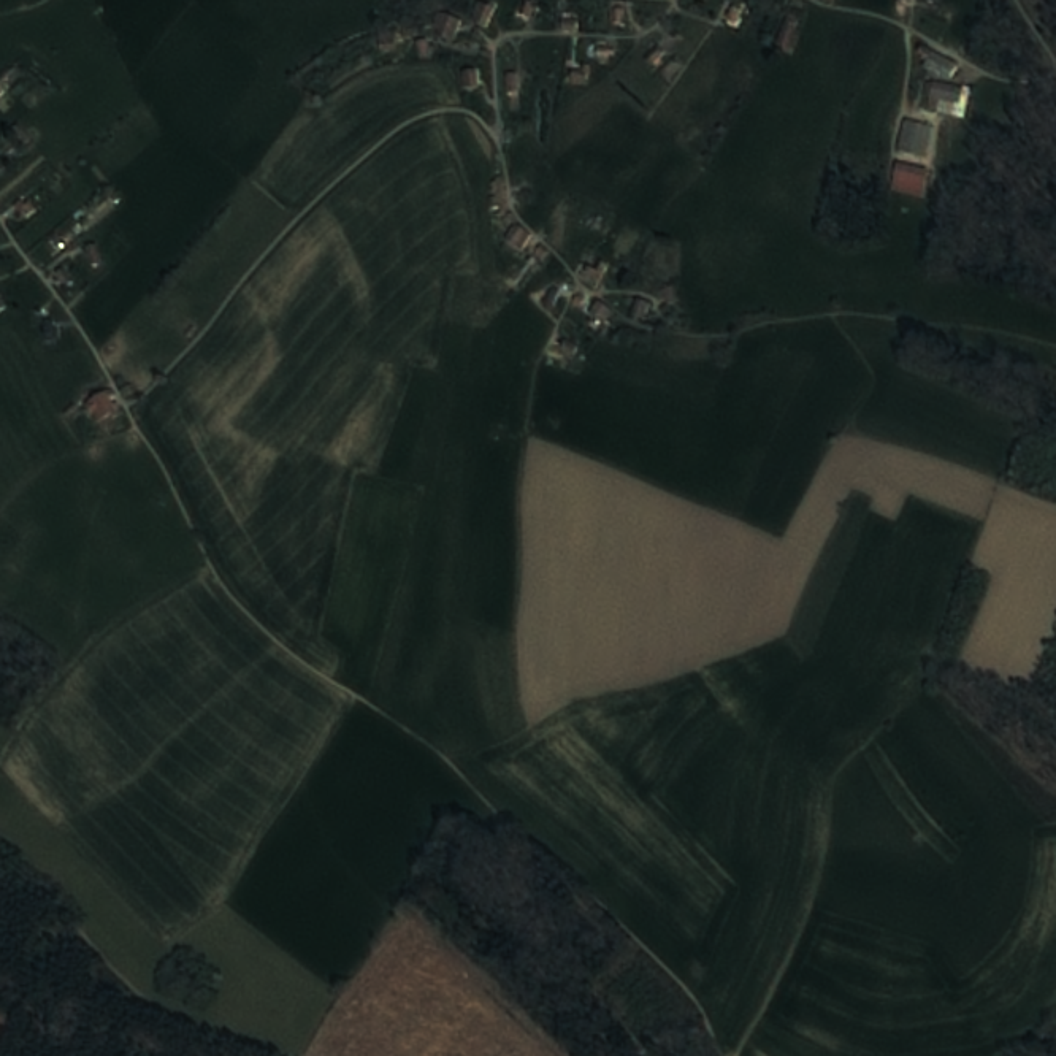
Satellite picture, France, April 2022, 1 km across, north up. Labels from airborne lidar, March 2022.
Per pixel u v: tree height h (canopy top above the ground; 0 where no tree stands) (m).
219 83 0
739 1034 0
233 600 0
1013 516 0
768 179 0
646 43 0
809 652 0
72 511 0
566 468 0
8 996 18
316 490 0
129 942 0
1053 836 0
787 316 0
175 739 0
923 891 0
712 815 0
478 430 0
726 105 0
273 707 0
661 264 0
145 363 0
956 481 0
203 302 0
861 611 0
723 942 0
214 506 0
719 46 0
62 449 0
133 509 0
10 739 0
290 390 0
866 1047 0
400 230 0
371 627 0
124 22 0
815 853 0
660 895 0
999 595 0
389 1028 0
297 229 0
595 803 0
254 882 0
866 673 0
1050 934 0
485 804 0
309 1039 0
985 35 25
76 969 22
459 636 0
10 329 0
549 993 24
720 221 0
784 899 0
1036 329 0
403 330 0
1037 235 28
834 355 0
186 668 0
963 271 25
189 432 0
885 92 0
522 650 0
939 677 19
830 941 0
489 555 0
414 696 0
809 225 0
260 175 0
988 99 0
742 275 0
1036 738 27
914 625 0
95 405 0
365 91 0
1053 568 0
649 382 0
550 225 0
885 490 0
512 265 0
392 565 0
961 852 0
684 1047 26
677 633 0
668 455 0
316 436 0
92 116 0
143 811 0
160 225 0
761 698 0
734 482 0
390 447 0
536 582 0
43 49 0
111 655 0
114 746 0
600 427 0
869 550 0
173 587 0
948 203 26
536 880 33
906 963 0
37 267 0
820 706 0
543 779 0
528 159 0
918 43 0
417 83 0
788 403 0
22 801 0
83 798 0
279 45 0
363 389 0
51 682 19
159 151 0
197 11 0
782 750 0
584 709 0
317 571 0
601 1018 20
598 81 0
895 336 0
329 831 0
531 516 0
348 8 0
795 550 0
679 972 0
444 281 0
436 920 24
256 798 0
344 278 0
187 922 0
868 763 0
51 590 0
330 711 0
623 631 0
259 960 0
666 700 0
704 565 0
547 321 0
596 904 25
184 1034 21
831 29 0
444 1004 0
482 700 0
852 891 0
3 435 0
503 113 0
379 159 0
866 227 21
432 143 0
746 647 0
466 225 0
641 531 0
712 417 0
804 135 0
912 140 0
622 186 0
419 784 0
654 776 0
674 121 0
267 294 0
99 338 0
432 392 0
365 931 0
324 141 0
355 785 0
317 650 0
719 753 0
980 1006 0
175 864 0
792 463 0
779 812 0
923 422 0
